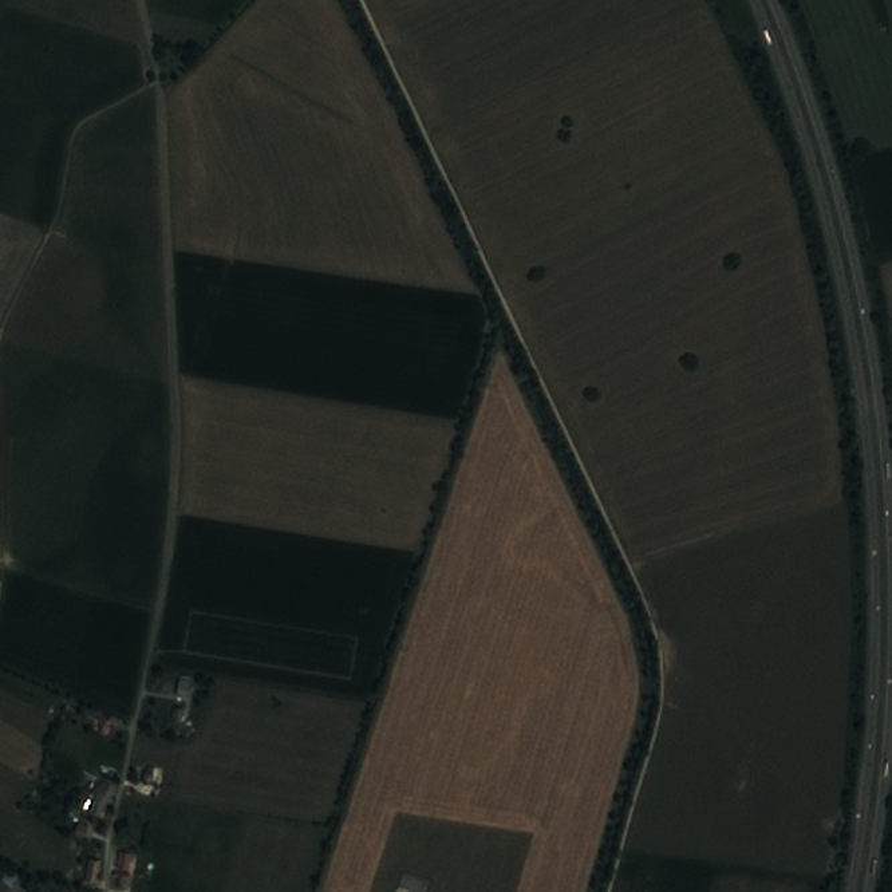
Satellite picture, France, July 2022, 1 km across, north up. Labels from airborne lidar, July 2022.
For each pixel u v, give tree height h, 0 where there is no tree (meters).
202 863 0
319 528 0
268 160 0
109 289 0
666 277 0
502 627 0
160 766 0
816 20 0
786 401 0
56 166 0
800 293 0
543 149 0
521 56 0
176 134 0
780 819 0
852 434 14
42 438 0
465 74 0
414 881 0
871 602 0
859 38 0
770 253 0
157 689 0
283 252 0
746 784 0
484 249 0
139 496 0
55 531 0
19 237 0
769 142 0
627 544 0
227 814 0
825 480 0
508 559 0
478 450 0
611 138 0
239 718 0
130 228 0
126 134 0
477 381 12
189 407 0
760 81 13
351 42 0
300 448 0
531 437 0
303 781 0
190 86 0
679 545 0
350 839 0
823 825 0
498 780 0
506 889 0
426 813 0
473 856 0
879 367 0
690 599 0
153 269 0
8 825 0
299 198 0
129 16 0
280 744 0
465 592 0
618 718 0
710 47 0
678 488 0
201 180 0
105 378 0
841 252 0
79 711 11
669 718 0
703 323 0
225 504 0
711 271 0
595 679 0
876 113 0
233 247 0
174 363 0
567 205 0
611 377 0
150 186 0
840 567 0
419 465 0
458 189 0
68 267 0
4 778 0
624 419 0
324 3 0
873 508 0
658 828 0
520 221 0
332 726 0
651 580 0
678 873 0
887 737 0
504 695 0
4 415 0
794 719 0
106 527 0
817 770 0
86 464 0
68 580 0
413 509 0
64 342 0
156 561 0
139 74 0
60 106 0
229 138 0
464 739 0
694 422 0
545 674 0
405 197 0
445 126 0
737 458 0
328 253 0
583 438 0
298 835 0
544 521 0
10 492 0
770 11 0
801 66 0
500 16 0
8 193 0
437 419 0
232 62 0
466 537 0
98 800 0
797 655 0
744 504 0
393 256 0
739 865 0
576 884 0
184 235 0
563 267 0
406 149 0
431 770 0
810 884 0
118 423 0
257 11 0
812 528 0
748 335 0
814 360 0
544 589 0
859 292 0
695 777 0
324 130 0
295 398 0
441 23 0
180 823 0
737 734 0
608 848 10
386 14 0
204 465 0
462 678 0
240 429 0
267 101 0
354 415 0
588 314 0
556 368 0
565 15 0
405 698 0
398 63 0
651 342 0
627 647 0
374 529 0
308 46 0
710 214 0
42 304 0
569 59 0
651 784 0
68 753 0
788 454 0
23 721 0
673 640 0
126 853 0
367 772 0
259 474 0
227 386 0
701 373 0
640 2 0
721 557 0
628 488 0
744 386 0
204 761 0
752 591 0
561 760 0
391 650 14
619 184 0
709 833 0
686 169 0
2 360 0
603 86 0
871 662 0
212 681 9
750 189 0
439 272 0
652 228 0
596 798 0
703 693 0
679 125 0
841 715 0
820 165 0
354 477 0
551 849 0
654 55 0
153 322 0
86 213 0
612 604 0
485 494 0
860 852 0
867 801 0
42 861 0
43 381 0
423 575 0
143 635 0
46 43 0
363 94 0
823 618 0
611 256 0
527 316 0
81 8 0
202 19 0
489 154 0
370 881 0
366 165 0
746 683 0
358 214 0
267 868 0
